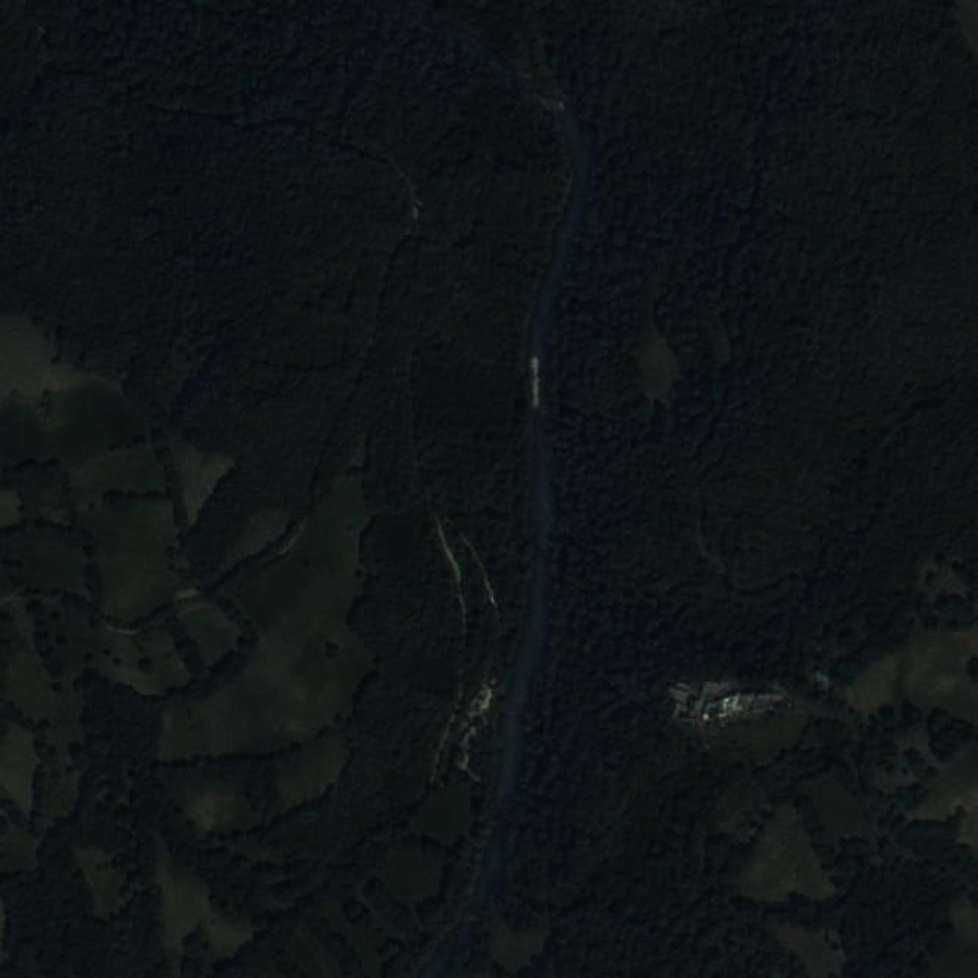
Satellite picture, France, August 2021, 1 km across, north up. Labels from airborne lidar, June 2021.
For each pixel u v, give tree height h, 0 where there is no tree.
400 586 20
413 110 22
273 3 6
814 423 22
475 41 0
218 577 10
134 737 27
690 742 6
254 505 20
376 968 0
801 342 24
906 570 19
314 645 0
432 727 23
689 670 16
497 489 28
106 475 0
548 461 0
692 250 23
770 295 24
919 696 0
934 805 0
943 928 25
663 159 22
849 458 24
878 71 23
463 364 19
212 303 19
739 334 12
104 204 21
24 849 0
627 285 31
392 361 18
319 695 0
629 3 16
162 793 20
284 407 22
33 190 17
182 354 8
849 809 0
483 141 24
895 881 23
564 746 16
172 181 23
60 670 20
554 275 0
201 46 24
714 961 17
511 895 27
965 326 17
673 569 17
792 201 22
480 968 19
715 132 24
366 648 8
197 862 14
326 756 0
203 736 0
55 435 0
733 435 23
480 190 16
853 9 25
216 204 18
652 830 9
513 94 14
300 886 18
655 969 10
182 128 17
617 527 23
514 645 10
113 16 27
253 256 18
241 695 0
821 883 0
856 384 19
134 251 21
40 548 0
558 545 15
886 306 12
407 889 0
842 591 20
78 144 21
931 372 20
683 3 23
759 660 24
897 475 25
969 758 0
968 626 16
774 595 21
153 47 30
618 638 16
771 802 13
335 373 22
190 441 16
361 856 20
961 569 10
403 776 8
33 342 0
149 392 13
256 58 11
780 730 0
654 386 0
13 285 17
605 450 27
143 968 11
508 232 20
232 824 0
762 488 14
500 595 17
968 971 0
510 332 26
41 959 18
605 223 28
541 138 8
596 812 7
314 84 16
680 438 19
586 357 25
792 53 28
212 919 0
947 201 20
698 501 15
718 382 18
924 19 23
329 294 17
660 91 22
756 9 20
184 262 27
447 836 0
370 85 25
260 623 0
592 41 20
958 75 16
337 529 0
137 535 0
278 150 19
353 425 20
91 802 21
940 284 18
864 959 24
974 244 20
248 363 11
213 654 0
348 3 9
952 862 11
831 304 22
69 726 0
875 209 19
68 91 22
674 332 26
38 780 13
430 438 23
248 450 21
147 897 15
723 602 11
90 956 23
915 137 20
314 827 23
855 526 20
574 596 24
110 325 21
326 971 0
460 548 21
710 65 26
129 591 0
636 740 9
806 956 0
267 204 20
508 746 0
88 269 19
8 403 0
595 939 18
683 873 15
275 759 14
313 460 19
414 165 17
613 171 26
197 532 14
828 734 9
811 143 12
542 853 21
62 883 13
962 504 21
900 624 19
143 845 15
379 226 21
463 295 19
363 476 13
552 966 16
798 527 18
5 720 15
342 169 19
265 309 16
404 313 22
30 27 23
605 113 17
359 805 20
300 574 0
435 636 26
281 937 28
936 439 21
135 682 0
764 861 0
